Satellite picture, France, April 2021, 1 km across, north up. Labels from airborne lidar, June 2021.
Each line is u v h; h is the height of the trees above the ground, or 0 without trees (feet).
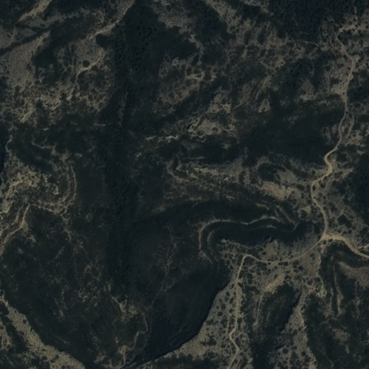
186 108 0
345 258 0
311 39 25
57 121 0
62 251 0
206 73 0
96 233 0
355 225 0
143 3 36
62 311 0
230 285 0
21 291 0
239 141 0
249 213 0
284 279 0
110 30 0
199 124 0
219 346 0
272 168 0
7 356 0
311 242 0
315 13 25
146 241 0
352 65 0
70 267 0
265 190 0
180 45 0
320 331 0
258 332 0
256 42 0
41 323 0
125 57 42
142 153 0
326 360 0
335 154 0
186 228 0
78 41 0
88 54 0
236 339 0
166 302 0
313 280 0
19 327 0
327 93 0
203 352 0
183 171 0
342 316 0
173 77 0
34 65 0
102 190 0
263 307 0
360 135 0
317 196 0
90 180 0
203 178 0
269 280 0
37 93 0
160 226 0
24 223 0
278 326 0
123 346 0
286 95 0
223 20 0
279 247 0
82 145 0
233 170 0
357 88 0
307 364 0
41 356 0
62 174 0
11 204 0
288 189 0
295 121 0
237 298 0
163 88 0
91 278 0
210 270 0
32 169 0
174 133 0
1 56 0
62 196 0
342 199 0
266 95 0
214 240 0
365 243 0
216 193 0
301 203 0
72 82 0
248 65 0
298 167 0
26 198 0
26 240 0
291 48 0
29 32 0
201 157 0
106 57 0
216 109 0
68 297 0
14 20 0
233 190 0
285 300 0
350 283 0
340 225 0
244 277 0
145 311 0
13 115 0
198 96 0
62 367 0
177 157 0
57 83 0
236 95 0
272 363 0
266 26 0
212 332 0
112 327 0
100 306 0
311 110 0
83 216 0
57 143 0
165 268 0
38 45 0
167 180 0
